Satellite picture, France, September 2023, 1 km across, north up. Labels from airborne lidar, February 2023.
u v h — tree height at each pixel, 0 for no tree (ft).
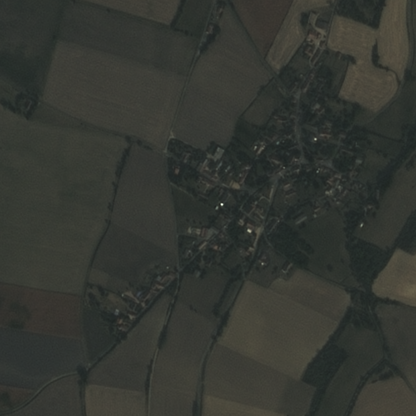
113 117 0
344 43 0
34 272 0
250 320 0
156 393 0
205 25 0
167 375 0
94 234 0
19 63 0
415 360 0
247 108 0
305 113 20
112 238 0
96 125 0
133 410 0
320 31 0
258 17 0
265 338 0
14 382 0
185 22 0
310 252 32
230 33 0
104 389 0
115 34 0
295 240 32
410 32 0
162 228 0
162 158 0
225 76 0
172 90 0
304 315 0
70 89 0
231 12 0
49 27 0
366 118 0
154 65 0
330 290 0
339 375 0
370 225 0
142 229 0
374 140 0
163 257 0
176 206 0
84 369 46
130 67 0
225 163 26
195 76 0
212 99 0
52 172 0
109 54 0
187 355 0
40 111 0
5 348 0
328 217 0
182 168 49
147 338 0
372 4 37
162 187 0
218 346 0
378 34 0
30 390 0
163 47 0
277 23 0
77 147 0
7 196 0
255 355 0
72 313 0
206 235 0
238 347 0
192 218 0
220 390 0
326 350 30
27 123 0
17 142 0
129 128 0
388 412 0
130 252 0
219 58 0
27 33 0
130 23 0
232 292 0
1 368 0
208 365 0
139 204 0
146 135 0
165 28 0
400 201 0
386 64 0
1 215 0
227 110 0
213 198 0
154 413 0
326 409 0
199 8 0
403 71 0
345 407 0
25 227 0
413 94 0
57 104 0
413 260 0
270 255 0
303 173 37
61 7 0
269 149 30
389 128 0
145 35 0
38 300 0
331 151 58
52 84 0
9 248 0
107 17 0
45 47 0
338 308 0
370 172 0
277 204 0
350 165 18
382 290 0
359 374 0
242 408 0
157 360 0
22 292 0
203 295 0
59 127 0
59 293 0
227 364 0
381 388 0
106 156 0
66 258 0
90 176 0
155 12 0
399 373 35
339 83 0
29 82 0
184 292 0
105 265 0
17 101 37
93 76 0
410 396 0
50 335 0
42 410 0
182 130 0
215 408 0
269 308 0
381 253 22
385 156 25
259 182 40
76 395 0
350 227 37
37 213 0
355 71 0
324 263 0
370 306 30
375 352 0
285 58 0
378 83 0
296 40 0
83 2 0
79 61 0
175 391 0
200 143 0
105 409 0
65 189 0
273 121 0
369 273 30
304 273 0
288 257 43
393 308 0
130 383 0
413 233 25
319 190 0
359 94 0
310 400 0
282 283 0
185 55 0
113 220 0
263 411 0
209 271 0
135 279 0
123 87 0
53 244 0
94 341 0
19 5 0
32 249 0
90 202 0
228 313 20
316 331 0
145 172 0
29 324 0
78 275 0
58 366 0
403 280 0
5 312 0
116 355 0
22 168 0
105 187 0
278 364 0
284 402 0
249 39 0
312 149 56
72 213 0
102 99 0
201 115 0
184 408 0
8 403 0
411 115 0
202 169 0
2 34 0
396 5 0
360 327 28
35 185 0
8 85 0
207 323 0
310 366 31
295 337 0
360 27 0
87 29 0
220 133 0
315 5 0
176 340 0
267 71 0
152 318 0
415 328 0
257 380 0
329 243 0
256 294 0
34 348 0
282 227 28
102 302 0
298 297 0
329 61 0
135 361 0
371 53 0
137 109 0
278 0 0
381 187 33
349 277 0
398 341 0
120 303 0
